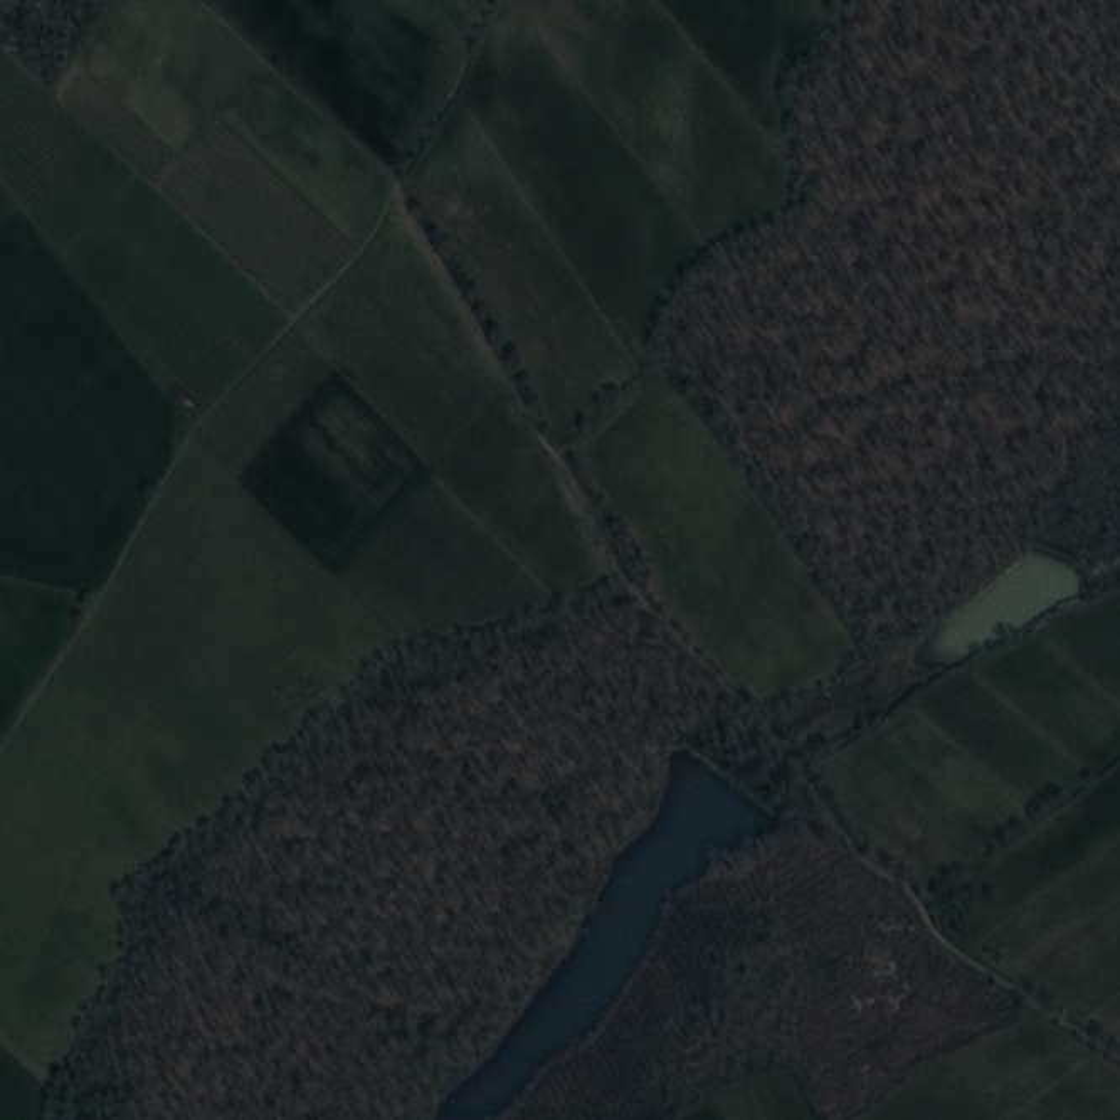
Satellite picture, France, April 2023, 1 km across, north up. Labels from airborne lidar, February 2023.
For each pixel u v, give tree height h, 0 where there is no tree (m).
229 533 0
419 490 0
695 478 0
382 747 22
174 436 0
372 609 0
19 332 0
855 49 22
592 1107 0
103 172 0
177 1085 19
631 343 0
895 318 24
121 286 0
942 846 0
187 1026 21
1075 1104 0
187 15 0
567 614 20
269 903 22
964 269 14
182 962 22
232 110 0
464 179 0
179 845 13
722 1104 0
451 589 0
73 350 0
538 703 17
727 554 0
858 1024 6
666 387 0
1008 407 26
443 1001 28
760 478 19
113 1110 16
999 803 0
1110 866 0
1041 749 0
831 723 0
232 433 0
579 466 20
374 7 0
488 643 18
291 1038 23
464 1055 20
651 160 0
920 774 0
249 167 0
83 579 0
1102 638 0
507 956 21
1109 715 0
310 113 0
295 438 0
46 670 0
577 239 0
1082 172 23
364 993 19
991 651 11
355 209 0
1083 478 20
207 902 22
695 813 0
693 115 0
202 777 0
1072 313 22
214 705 0
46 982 0
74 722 0
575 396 0
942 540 23
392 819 23
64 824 0
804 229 20
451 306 0
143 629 0
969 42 21
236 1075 19
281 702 0
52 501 0
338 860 21
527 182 0
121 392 0
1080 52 19
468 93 0
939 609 21
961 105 20
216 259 0
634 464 0
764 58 0
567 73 0
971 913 14
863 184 24
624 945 0
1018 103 23
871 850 11
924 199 20
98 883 0
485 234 0
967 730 0
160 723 0
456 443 0
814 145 23
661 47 0
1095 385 23
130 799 0
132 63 0
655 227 0
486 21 10
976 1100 0
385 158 0
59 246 0
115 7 0
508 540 0
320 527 0
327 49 0
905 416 23
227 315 0
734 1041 15
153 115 0
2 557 0
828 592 13
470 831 24
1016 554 18
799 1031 5
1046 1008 20
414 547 0
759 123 0
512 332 0
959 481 23
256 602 0
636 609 17
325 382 0
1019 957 0
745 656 0
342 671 0
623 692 22
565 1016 0
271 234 0
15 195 0
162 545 0
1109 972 0
